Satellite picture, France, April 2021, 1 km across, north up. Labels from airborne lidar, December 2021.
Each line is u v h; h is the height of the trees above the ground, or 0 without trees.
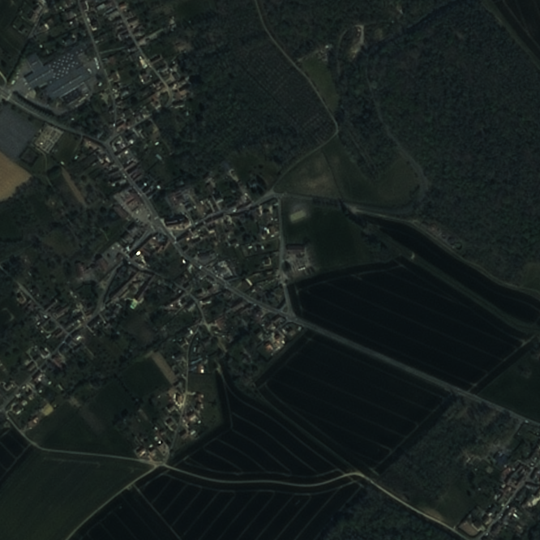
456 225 9
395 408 0
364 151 36
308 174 0
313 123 20
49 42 12
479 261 9
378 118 21
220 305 18
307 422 0
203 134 23
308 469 0
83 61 0
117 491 0
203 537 0
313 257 16
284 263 0
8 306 0
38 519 0
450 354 0
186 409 0
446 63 16
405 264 0
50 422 0
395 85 19
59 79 0
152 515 0
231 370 20
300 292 0
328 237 0
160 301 16
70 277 21
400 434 0
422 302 0
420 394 0
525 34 0
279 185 0
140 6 12
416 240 0
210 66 36
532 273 0
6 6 0
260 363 25
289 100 10
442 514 0
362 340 0
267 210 0
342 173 0
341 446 0
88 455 0
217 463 0
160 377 0
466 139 18
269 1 7
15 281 17
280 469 0
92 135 6
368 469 0
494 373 0
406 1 14
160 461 0
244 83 15
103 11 0
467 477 11
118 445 0
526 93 19
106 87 0
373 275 0
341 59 12
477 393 0
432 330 0
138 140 8
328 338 0
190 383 0
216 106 25
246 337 24
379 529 6
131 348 8
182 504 0
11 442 0
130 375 0
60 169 10
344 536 24
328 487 0
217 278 0
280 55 8
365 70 18
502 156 15
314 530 0
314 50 20
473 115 8
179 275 0
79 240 22
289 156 32
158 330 5
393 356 0
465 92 20
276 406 0
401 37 20
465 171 22
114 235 0
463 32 15
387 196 0
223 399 0
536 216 17
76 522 0
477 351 0
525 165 17
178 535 0
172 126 24
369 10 18
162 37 9
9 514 0
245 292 0
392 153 24
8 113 0
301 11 19
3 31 0
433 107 16
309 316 0
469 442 9
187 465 0
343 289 0
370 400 0
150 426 0
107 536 0
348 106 20
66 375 9
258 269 7
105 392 0
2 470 0
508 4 0
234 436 0
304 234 0
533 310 0
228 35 6
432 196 15
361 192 0
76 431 0
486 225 18
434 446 10
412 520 23
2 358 0
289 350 0
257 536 0
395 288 0
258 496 0
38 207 0
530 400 0
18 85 0
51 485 0
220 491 0
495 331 0
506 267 20
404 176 0
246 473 0
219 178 10
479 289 0
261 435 0
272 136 30
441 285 0
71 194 0
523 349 0
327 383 0
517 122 17
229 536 0
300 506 0
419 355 0
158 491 0
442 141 15
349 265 0
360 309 0
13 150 0
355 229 0
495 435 26
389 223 0
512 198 19
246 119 25
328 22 21
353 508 9
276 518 0
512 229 21
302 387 0
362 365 0
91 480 0
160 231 0
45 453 0
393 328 0
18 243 11
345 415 0
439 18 19
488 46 19
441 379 0
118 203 10
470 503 0
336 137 0
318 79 0
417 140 19
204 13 0
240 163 0
